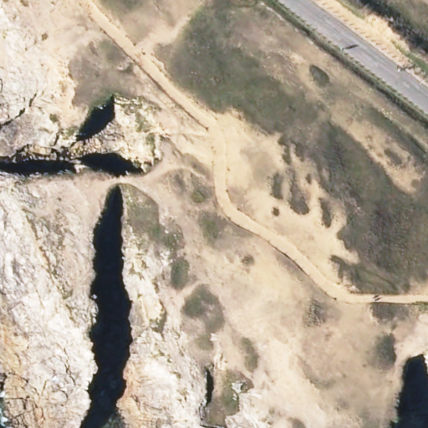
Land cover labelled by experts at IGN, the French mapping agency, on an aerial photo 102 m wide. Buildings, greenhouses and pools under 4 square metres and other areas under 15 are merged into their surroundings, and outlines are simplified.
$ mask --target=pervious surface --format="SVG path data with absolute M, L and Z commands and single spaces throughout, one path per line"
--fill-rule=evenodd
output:
M 428 80 L 428 55 L 423 50 L 411 47 L 405 38 L 398 35 L 391 40 L 391 47 L 408 57 L 416 75 Z
M 236 119 L 229 112 L 212 112 L 201 100 L 194 99 L 186 90 L 179 89 L 164 72 L 157 69 L 160 60 L 155 57 L 155 47 L 159 43 L 174 42 L 179 37 L 174 28 L 167 27 L 164 20 L 160 20 L 159 25 L 149 33 L 149 37 L 137 45 L 132 45 L 119 18 L 112 22 L 102 12 L 104 5 L 100 0 L 55 0 L 55 5 L 50 5 L 50 13 L 60 12 L 72 20 L 79 20 L 79 15 L 92 13 L 92 17 L 100 23 L 100 27 L 109 32 L 117 45 L 132 55 L 135 62 L 142 62 L 145 69 L 149 70 L 154 77 L 150 85 L 159 94 L 164 95 L 174 105 L 174 109 L 181 110 L 191 124 L 197 125 L 197 129 L 189 127 L 186 132 L 194 137 L 194 144 L 189 144 L 181 137 L 176 145 L 182 152 L 194 155 L 212 172 L 214 192 L 219 206 L 227 217 L 231 217 L 239 226 L 267 237 L 281 251 L 288 252 L 289 256 L 314 279 L 314 283 L 324 289 L 329 296 L 349 303 L 405 304 L 428 301 L 428 294 L 421 291 L 420 294 L 349 294 L 346 286 L 339 284 L 338 267 L 331 262 L 331 256 L 341 256 L 346 247 L 334 232 L 324 226 L 319 204 L 308 214 L 298 214 L 289 204 L 283 202 L 279 207 L 279 216 L 273 216 L 276 197 L 267 191 L 254 189 L 247 194 L 246 199 L 256 214 L 247 217 L 246 214 L 237 211 L 226 191 L 227 187 L 244 189 L 249 177 L 252 176 L 249 162 L 241 155 L 244 145 L 237 137 L 237 127 L 244 120 Z
M 371 13 L 359 0 L 339 0 L 356 17 L 368 17 Z

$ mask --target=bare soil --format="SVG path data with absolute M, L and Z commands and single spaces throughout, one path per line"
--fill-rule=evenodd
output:
M 386 23 L 398 35 L 405 38 L 411 47 L 423 50 L 428 55 L 428 0 L 359 0 L 371 13 L 385 18 Z
M 346 247 L 341 256 L 331 256 L 331 262 L 338 267 L 339 284 L 346 286 L 349 294 L 420 294 L 421 291 L 428 294 L 428 117 L 398 97 L 395 90 L 386 87 L 385 82 L 369 74 L 358 62 L 346 59 L 339 53 L 338 48 L 329 45 L 326 38 L 311 30 L 308 25 L 304 25 L 301 18 L 296 17 L 278 0 L 100 0 L 104 5 L 102 12 L 112 22 L 119 18 L 132 45 L 137 45 L 149 37 L 149 33 L 159 25 L 160 20 L 164 20 L 167 27 L 174 28 L 179 37 L 174 42 L 159 43 L 155 47 L 155 57 L 160 60 L 157 69 L 164 72 L 179 89 L 186 90 L 194 99 L 201 100 L 212 112 L 229 112 L 236 119 L 244 120 L 237 127 L 237 137 L 244 145 L 241 155 L 249 162 L 252 176 L 249 177 L 244 189 L 227 187 L 226 191 L 237 211 L 246 214 L 247 217 L 256 214 L 246 199 L 247 194 L 254 189 L 267 191 L 276 197 L 273 216 L 279 216 L 279 207 L 283 202 L 289 204 L 298 214 L 308 214 L 319 204 L 324 226 L 334 232 Z
M 289 256 L 288 252 L 281 251 L 267 237 L 239 226 L 231 217 L 227 217 L 219 206 L 214 192 L 212 172 L 194 155 L 182 152 L 176 145 L 181 137 L 189 144 L 194 144 L 194 137 L 186 132 L 189 127 L 197 129 L 197 125 L 191 124 L 181 110 L 174 109 L 174 105 L 164 95 L 159 94 L 150 85 L 154 77 L 149 70 L 145 69 L 142 62 L 135 62 L 132 55 L 117 45 L 109 32 L 100 27 L 100 23 L 92 17 L 92 13 L 79 15 L 79 20 L 72 20 L 60 12 L 50 13 L 50 5 L 55 5 L 55 0 L 0 0 L 0 428 L 428 428 L 428 301 L 405 304 L 349 303 L 329 296 L 324 289 L 314 283 L 314 279 Z

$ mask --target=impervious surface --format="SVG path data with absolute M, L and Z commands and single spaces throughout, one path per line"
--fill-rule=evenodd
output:
M 368 17 L 356 17 L 339 0 L 278 0 L 296 17 L 301 18 L 304 25 L 308 25 L 311 30 L 326 38 L 329 45 L 338 48 L 339 53 L 346 59 L 358 62 L 369 74 L 385 82 L 386 87 L 395 90 L 398 97 L 428 117 L 428 80 L 416 75 L 408 57 L 391 47 L 391 40 L 398 35 L 386 23 L 385 18 L 371 13 Z

